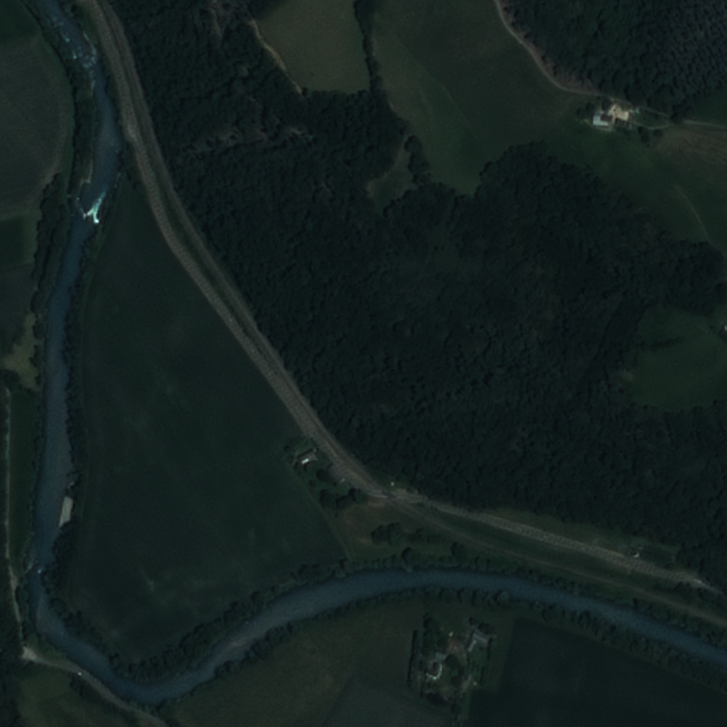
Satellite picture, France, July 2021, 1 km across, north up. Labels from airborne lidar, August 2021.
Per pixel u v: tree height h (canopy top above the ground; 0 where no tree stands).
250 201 26
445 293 15
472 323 26
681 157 0
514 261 15
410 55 0
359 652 0
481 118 0
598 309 23
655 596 0
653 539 19
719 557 23
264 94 26
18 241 0
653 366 0
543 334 28
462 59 0
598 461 29
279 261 29
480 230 15
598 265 33
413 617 0
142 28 24
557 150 0
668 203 0
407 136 18
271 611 0
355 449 18
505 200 29
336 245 23
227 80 34
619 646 16
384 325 12
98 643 12
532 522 0
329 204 20
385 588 0
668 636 0
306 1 0
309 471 0
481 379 23
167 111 34
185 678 0
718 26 18
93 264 8
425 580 0
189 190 23
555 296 26
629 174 0
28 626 18
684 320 0
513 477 24
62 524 0
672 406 0
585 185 29
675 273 16
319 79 0
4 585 22
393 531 17
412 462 22
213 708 0
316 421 0
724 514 37
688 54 15
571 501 28
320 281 27
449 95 0
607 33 24
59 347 0
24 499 0
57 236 29
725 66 16
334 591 0
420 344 28
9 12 0
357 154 30
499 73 0
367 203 24
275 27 0
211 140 25
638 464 25
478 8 0
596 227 28
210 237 7
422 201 18
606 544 0
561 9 12
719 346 0
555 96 0
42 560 0
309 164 27
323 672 0
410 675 12
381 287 20
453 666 14
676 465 8
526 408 18
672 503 18
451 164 0
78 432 25
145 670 20
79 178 11
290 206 25
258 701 0
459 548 17
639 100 23
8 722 17
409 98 0
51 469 0
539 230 12
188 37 27
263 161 26
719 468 18
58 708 0
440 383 29
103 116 0
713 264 25
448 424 17
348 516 0
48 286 30
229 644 0
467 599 23
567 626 9
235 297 0
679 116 14
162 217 0
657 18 23
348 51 0
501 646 0
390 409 26
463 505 14
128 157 24
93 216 0
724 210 0
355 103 10
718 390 0
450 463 19
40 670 7
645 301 13
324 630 0
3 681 28
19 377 21
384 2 0
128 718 10
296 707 0
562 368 24
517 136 0
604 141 0
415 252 11
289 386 0
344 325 24
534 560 0
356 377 26
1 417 34
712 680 22
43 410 10
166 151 16
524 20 21
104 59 7
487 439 16
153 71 31
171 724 13
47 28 6
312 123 32
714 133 0
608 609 0
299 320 32
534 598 0
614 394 24
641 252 26
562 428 24
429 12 0
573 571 0
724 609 25
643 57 10
